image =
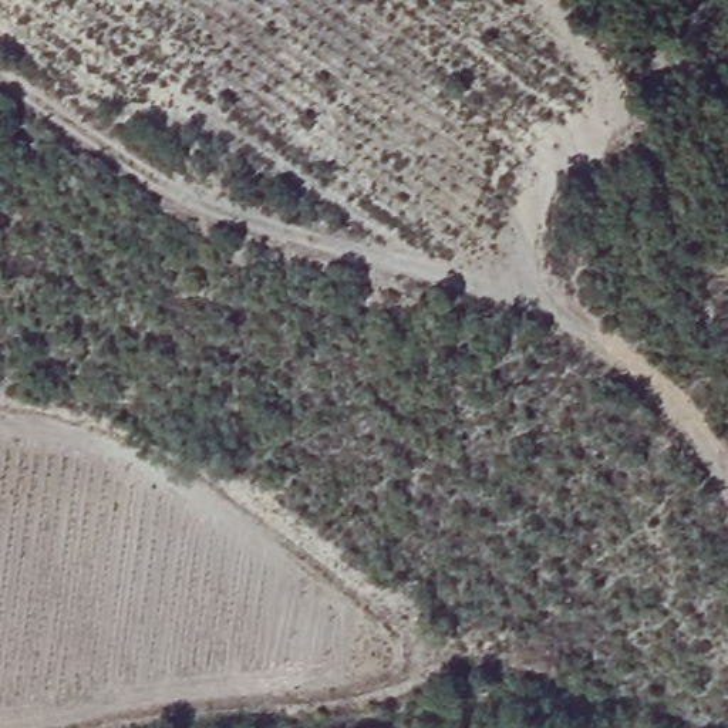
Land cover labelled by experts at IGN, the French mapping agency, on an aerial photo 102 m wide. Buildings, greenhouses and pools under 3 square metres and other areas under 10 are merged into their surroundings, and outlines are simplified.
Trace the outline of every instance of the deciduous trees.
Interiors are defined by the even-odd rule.
[[[299,717],[225,714],[216,717],[216,728],[304,728]]]
[[[569,688],[557,685],[552,677],[535,671],[523,674],[523,683],[486,683],[483,677],[455,677],[449,683],[444,668],[435,671],[427,683],[415,685],[410,694],[395,697],[395,725],[381,719],[361,719],[341,722],[333,728],[617,728],[617,711],[623,711],[628,719],[637,719],[637,697],[589,702],[586,697],[574,697]]]

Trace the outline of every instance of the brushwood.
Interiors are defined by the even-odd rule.
[[[34,80],[40,65],[14,37],[0,37],[0,65]]]
[[[230,151],[230,134],[208,131],[202,114],[191,117],[188,122],[168,122],[165,111],[151,108],[139,111],[131,122],[119,122],[119,117],[102,102],[102,94],[91,94],[91,102],[97,102],[97,108],[85,108],[80,100],[71,100],[68,105],[85,122],[94,122],[100,131],[122,139],[134,154],[156,165],[159,171],[179,173],[185,182],[202,182],[205,176],[216,173],[222,179],[222,188],[230,191],[230,202],[259,208],[262,213],[279,216],[287,225],[313,225],[321,219],[330,225],[333,233],[347,228],[350,216],[341,205],[321,199],[313,191],[304,191],[301,199],[293,199],[282,188],[282,173],[270,159],[256,154],[253,148],[242,148],[239,154]]]
[[[646,119],[643,131],[634,134],[634,142],[628,148],[606,154],[600,159],[572,156],[569,171],[557,173],[557,193],[546,213],[543,242],[546,267],[560,279],[569,296],[577,296],[600,319],[606,333],[617,333],[620,338],[634,344],[640,355],[646,355],[674,384],[680,384],[685,395],[705,412],[708,427],[717,438],[722,438],[728,449],[728,301],[717,307],[714,319],[708,319],[705,301],[711,296],[708,276],[717,276],[719,267],[728,267],[728,0],[560,0],[563,11],[569,14],[572,31],[589,37],[589,46],[603,60],[614,60],[617,77],[626,82],[628,114]]]
[[[395,725],[395,697],[373,700],[364,708],[321,708],[316,714],[299,717],[304,728],[333,728],[341,722],[361,719],[381,719]]]
[[[569,688],[574,697],[586,697],[589,702],[637,697],[637,719],[628,719],[623,711],[617,711],[617,728],[728,728],[728,503],[722,495],[722,481],[711,475],[711,466],[697,455],[685,432],[680,432],[668,421],[668,415],[663,412],[663,401],[651,390],[648,378],[628,375],[594,358],[589,350],[583,350],[580,341],[574,341],[566,333],[557,333],[552,313],[540,310],[532,299],[492,301],[483,296],[472,296],[466,293],[461,273],[449,273],[441,282],[424,282],[398,273],[395,284],[384,290],[384,304],[367,307],[373,282],[370,264],[361,256],[344,253],[330,264],[319,264],[304,256],[284,259],[284,250],[279,245],[270,245],[267,236],[250,233],[245,222],[213,222],[210,233],[202,233],[196,216],[168,213],[162,208],[162,196],[137,176],[122,173],[119,162],[111,154],[80,145],[57,122],[26,105],[20,85],[0,82],[0,392],[40,407],[54,404],[71,412],[88,412],[94,418],[108,418],[125,427],[125,446],[134,446],[139,458],[168,469],[171,481],[176,483],[193,483],[199,478],[199,469],[205,466],[210,478],[242,478],[262,489],[270,489],[279,506],[299,515],[324,540],[338,546],[344,560],[353,569],[364,572],[373,586],[392,592],[398,589],[401,594],[412,597],[421,611],[421,634],[458,637],[483,626],[515,631],[515,640],[501,640],[483,660],[452,657],[444,668],[449,683],[455,677],[483,677],[486,683],[523,683],[523,674],[535,671],[552,677],[557,685]]]

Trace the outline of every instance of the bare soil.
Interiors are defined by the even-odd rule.
[[[717,307],[728,301],[728,267],[719,267],[717,276],[708,276],[711,296],[705,301],[708,319],[714,319]]]

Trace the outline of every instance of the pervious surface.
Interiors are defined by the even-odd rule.
[[[728,503],[728,449],[722,438],[717,438],[708,427],[705,412],[685,395],[680,384],[674,384],[646,355],[640,355],[634,344],[620,338],[617,333],[606,333],[600,319],[577,296],[569,296],[569,301],[552,313],[557,333],[566,333],[574,341],[580,341],[583,350],[589,350],[594,358],[628,375],[648,378],[651,390],[663,401],[663,412],[668,415],[668,421],[680,432],[685,432],[697,455],[711,466],[711,475],[722,481],[722,495]]]

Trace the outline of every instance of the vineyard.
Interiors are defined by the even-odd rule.
[[[628,148],[634,142],[634,134],[643,131],[646,119],[628,114],[626,82],[617,77],[614,60],[603,60],[589,46],[589,37],[572,31],[569,14],[563,11],[560,0],[0,0],[0,37],[14,37],[40,65],[34,80],[0,65],[0,82],[20,85],[26,105],[57,122],[80,145],[111,154],[119,162],[122,173],[137,176],[162,196],[162,208],[168,213],[196,216],[202,233],[210,233],[213,222],[245,222],[250,233],[267,236],[270,245],[279,245],[284,250],[284,259],[304,256],[319,264],[330,264],[344,253],[361,256],[370,264],[373,282],[367,307],[384,304],[384,290],[395,284],[398,273],[424,282],[441,282],[449,273],[461,273],[466,293],[472,296],[483,296],[492,301],[532,299],[540,310],[552,313],[569,301],[569,296],[560,279],[546,267],[543,242],[546,213],[557,193],[557,173],[569,171],[572,156],[600,159],[606,154]],[[321,199],[341,205],[350,216],[347,228],[333,233],[330,225],[321,219],[313,225],[287,225],[279,216],[262,213],[259,208],[230,202],[230,191],[222,188],[222,179],[216,173],[205,176],[202,182],[185,182],[179,173],[159,171],[156,165],[134,154],[122,139],[100,131],[94,122],[85,122],[68,105],[71,100],[80,100],[85,108],[97,108],[97,102],[91,102],[91,94],[102,94],[102,102],[119,117],[119,122],[131,122],[139,111],[151,108],[165,111],[168,122],[188,122],[191,117],[202,114],[208,131],[230,134],[230,151],[239,154],[242,148],[253,148],[256,154],[270,159],[282,173],[282,188],[293,199],[301,199],[304,191],[313,191]]]
[[[279,506],[270,489],[262,489],[242,478],[210,478],[205,466],[199,469],[199,478],[193,483],[176,483],[171,481],[168,469],[139,458],[134,446],[125,446],[125,427],[108,418],[94,418],[88,412],[71,412],[54,404],[40,407],[0,392],[0,728],[216,728],[216,717],[225,714],[299,717],[316,714],[321,708],[364,708],[373,700],[395,697],[410,694],[415,685],[427,683],[435,671],[444,668],[452,657],[483,660],[501,640],[515,640],[515,631],[483,626],[458,637],[421,634],[421,611],[412,597],[401,594],[398,589],[392,592],[373,586],[364,572],[353,569],[344,560],[338,546],[324,540],[299,515]]]

